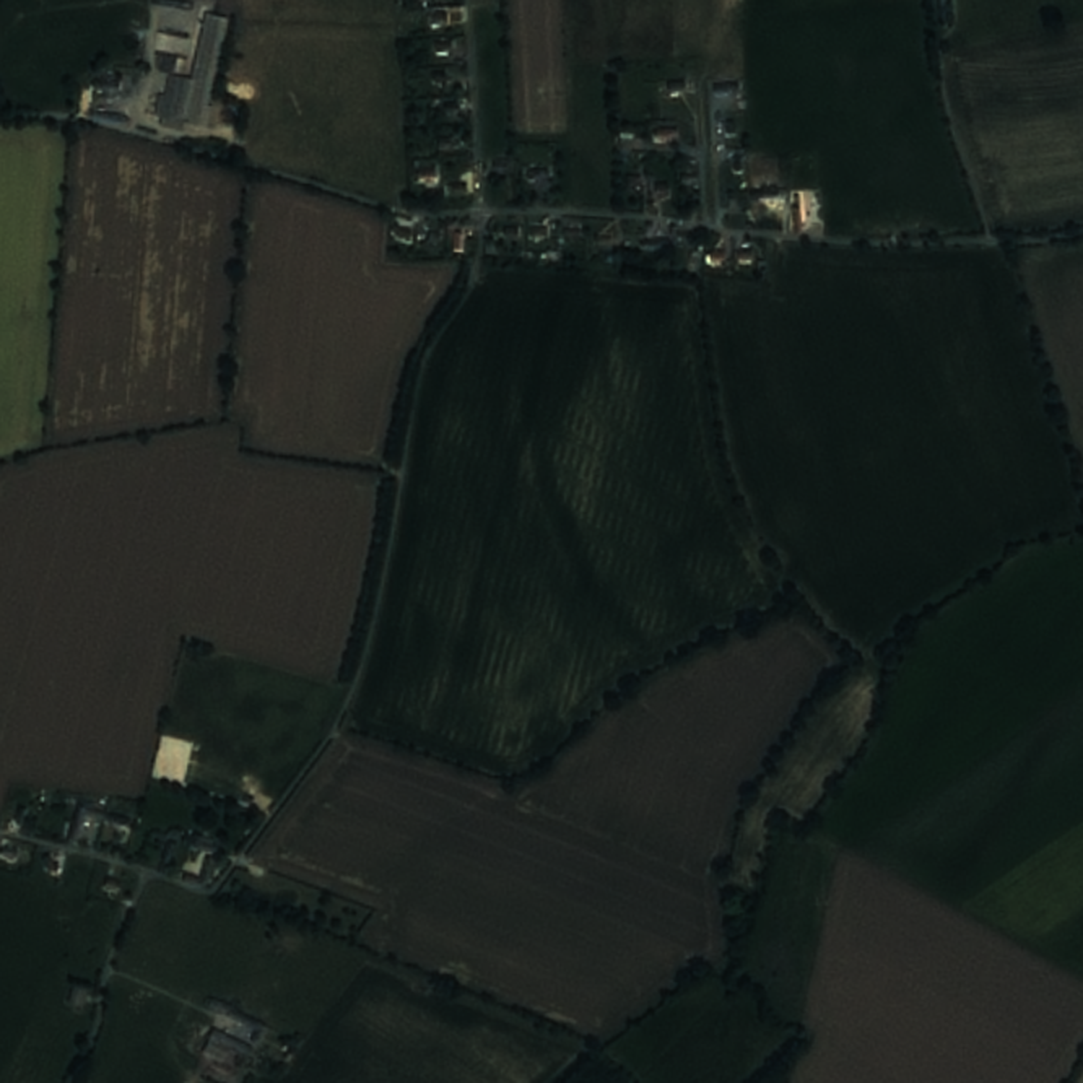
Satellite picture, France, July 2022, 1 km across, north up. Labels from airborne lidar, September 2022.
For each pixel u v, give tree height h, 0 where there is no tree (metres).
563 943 0
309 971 0
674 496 0
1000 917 0
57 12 0
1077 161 0
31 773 0
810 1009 0
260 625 0
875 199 0
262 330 0
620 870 0
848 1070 0
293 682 0
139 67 7
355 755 0
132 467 0
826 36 0
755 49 0
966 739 0
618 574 0
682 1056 0
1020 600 0
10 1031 0
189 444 0
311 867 0
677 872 0
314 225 0
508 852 0
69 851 0
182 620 0
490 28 0
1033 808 0
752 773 0
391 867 0
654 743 0
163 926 0
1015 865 0
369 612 10
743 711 0
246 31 0
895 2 0
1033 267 0
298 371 0
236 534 0
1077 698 0
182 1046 0
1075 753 0
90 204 0
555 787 0
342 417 0
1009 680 0
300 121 0
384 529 12
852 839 0
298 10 0
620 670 0
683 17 0
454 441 0
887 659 17
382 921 0
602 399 0
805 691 0
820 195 0
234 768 0
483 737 0
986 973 0
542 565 0
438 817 0
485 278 0
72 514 0
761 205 0
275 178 7
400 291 0
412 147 6
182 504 0
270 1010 0
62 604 0
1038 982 0
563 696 0
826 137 0
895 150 0
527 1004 0
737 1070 0
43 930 0
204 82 0
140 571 0
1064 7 0
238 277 12
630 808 0
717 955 0
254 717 0
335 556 0
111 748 0
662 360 0
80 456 0
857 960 0
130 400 0
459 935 0
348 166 0
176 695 0
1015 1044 0
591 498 0
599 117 0
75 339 0
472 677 0
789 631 0
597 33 0
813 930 0
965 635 0
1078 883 0
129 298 0
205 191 0
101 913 0
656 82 0
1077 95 0
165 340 0
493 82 0
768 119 0
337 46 0
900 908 0
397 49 8
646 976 0
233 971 0
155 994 0
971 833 0
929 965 0
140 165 0
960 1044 0
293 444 0
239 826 16
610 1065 9
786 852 0
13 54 0
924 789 0
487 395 0
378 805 0
